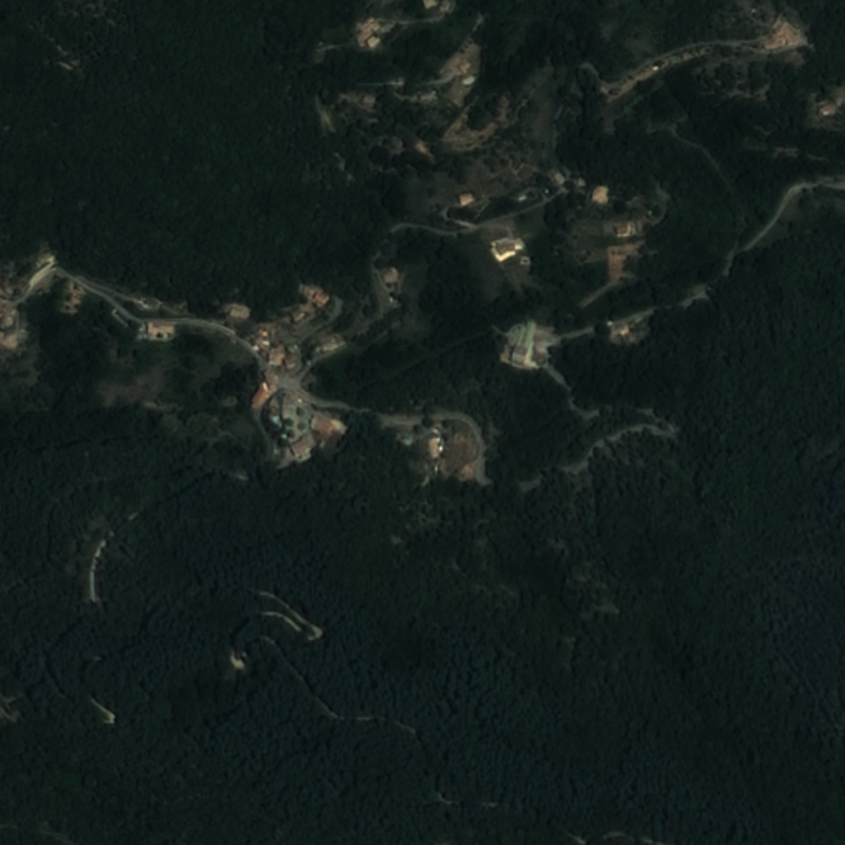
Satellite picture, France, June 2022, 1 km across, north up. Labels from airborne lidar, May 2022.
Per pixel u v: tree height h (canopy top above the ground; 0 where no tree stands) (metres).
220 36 17
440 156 13
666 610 21
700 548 15
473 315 23
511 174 0
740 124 20
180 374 9
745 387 16
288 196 21
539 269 9
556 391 18
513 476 23
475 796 26
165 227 22
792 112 20
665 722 12
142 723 26
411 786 24
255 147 17
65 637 14
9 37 20
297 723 33
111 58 14
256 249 13
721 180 17
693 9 12
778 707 15
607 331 18
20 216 19
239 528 23
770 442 19
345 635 30
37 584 15
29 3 15
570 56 17
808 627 10
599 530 12
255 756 31
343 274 14
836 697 13
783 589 14
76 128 18
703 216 18
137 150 16
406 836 29
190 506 25
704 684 16
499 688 29
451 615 14
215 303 9
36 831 20
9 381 9
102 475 17
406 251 18
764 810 18
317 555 30
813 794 17
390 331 8
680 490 15
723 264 21
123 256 24
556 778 19
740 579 5
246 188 13
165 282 22
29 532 18
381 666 27
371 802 24
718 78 13
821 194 17
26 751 11
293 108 18
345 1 18
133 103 13
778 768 17
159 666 29
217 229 21
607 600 14
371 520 15
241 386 12
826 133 9
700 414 18
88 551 12
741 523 9
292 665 21
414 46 16
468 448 0
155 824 13
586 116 18
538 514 12
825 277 16
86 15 13
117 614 17
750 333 12
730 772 18
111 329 12
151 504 18
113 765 19
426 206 0
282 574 26
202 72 16
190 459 16
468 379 8
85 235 17
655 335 18
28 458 19
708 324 16
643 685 17
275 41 21
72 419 21
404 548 14
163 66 15
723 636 12
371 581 12
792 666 11
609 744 19
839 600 12
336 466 6
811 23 13
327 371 12
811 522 6
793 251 13
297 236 17
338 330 10
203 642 28
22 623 16
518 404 17
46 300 8
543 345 0
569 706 19
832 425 15
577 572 8
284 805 24
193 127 15
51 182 18
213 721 6
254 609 23
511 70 11
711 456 19
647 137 15
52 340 18
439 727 26
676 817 22
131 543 12
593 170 16
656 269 18
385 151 18
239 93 23
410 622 16
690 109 14
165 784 18
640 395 24
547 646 14
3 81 15
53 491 12
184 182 16
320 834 6
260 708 29
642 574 15
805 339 16
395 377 6
